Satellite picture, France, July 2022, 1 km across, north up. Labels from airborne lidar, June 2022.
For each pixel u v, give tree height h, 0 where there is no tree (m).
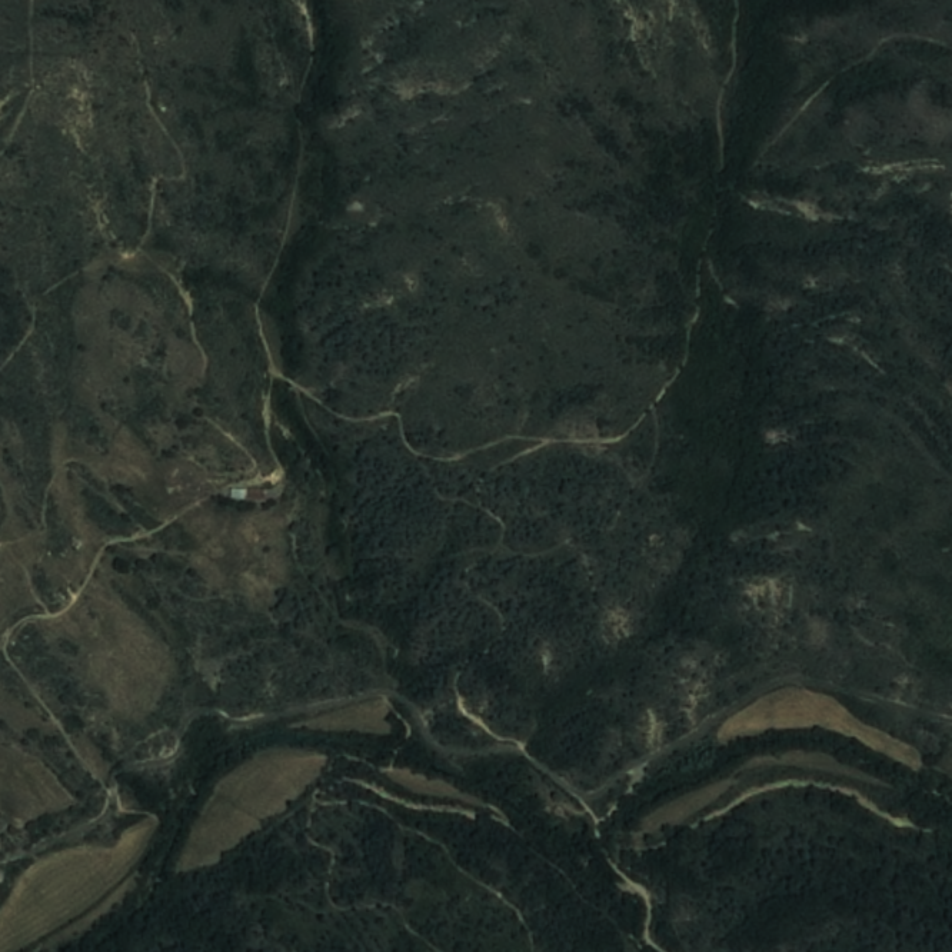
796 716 0
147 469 0
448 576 9
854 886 6
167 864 10
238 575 0
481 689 6
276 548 0
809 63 6
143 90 0
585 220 0
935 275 9
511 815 10
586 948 9
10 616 0
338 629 7
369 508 11
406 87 0
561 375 0
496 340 0
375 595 12
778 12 9
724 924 7
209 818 0
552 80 0
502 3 0
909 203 5
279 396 6
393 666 11
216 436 0
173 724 6
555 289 0
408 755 12
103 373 0
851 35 0
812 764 0
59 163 0
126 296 0
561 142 0
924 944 8
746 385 10
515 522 7
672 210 7
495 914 8
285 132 0
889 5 0
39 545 0
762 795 0
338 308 8
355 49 0
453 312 0
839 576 6
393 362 7
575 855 11
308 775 0
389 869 9
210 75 8
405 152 6
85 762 0
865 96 7
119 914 13
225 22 0
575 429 0
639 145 7
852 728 0
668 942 7
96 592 0
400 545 12
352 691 10
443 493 12
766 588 0
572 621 7
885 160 0
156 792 8
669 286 9
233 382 0
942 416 9
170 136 0
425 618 14
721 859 8
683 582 7
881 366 7
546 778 12
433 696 12
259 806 0
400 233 0
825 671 0
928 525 0
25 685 0
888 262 8
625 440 0
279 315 6
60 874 0
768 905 9
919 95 0
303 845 9
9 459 7
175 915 10
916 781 10
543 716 8
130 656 0
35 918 0
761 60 12
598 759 8
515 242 0
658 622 7
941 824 8
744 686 9
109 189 0
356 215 0
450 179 0
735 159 11
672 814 0
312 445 15
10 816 0
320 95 11
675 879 8
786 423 6
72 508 0
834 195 0
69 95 0
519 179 0
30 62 0
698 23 0
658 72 0
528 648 14
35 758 0
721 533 7
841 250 10
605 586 8
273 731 7
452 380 0
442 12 0
